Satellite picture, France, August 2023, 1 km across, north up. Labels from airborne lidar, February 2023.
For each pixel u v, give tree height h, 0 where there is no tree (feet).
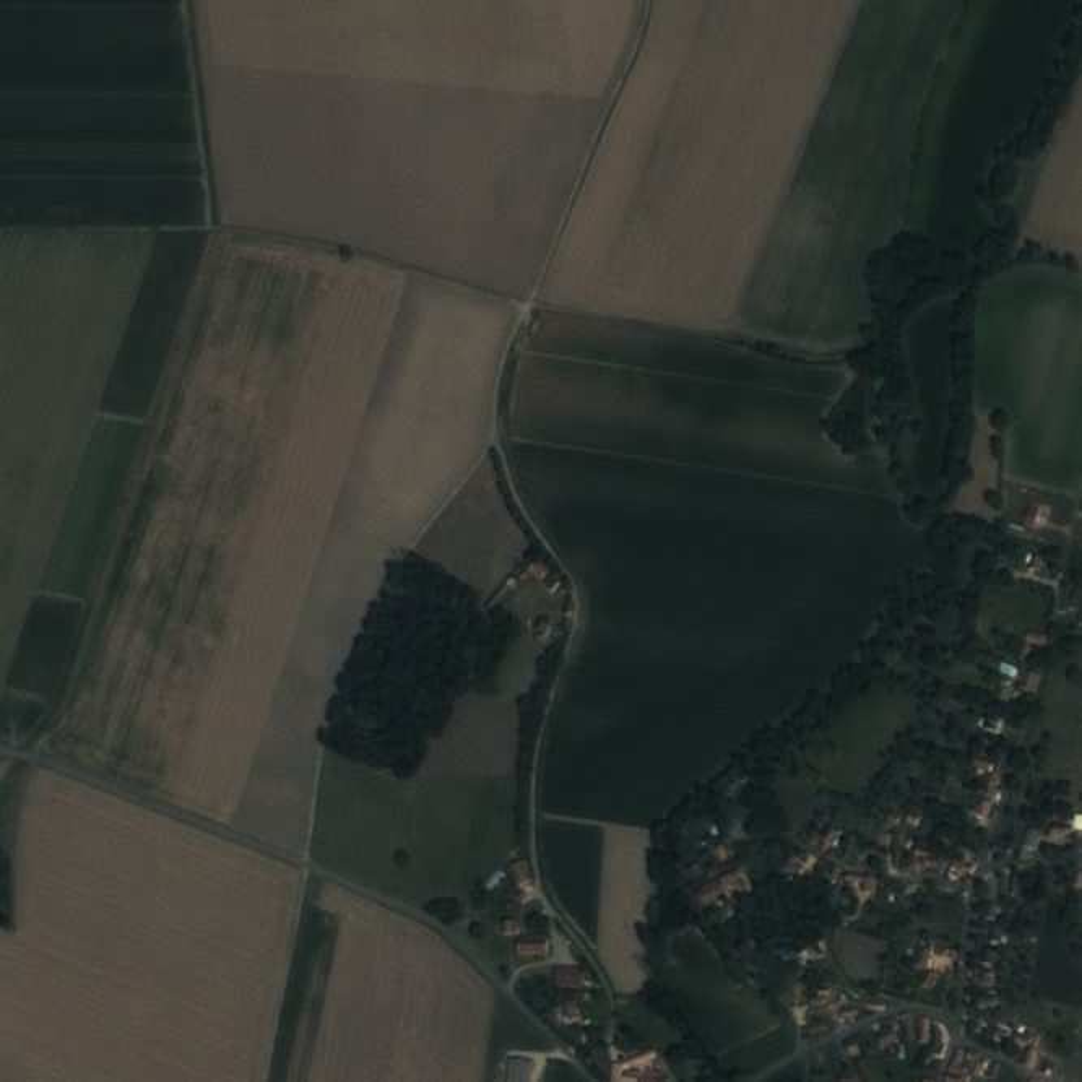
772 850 20
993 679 33
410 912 0
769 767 40
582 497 0
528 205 0
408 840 0
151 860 0
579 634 0
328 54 0
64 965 0
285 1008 0
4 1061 0
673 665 0
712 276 0
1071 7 0
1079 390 0
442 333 0
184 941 0
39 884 0
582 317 0
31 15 0
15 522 0
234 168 0
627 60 0
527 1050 0
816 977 53
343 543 0
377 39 0
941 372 0
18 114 0
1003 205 25
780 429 0
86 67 0
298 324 0
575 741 0
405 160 0
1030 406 0
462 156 0
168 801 0
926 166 0
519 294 0
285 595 0
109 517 0
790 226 0
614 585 0
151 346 0
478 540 0
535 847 0
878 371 37
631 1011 0
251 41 0
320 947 0
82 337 0
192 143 0
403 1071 0
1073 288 0
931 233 0
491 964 0
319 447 0
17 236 0
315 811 0
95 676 0
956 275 83
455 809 0
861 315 0
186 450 0
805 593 0
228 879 0
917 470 0
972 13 0
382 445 0
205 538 0
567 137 0
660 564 0
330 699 0
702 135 0
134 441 0
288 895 0
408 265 0
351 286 0
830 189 0
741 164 0
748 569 0
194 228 0
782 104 0
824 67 0
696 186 0
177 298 0
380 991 0
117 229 0
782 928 39
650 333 0
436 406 0
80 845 0
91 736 0
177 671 0
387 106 0
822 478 0
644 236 0
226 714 0
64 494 0
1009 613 0
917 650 65
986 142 0
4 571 0
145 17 0
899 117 0
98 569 0
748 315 0
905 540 0
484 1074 0
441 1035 0
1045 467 0
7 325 0
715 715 0
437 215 0
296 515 0
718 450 0
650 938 84
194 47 0
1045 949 0
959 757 41
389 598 51
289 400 0
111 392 0
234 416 0
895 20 0
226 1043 0
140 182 0
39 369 0
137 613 0
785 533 0
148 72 0
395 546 0
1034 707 38
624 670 0
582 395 0
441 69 0
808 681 0
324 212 0
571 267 0
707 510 0
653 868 51
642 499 0
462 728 0
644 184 0
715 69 0
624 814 0
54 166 0
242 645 0
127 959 0
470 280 0
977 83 0
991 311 0
